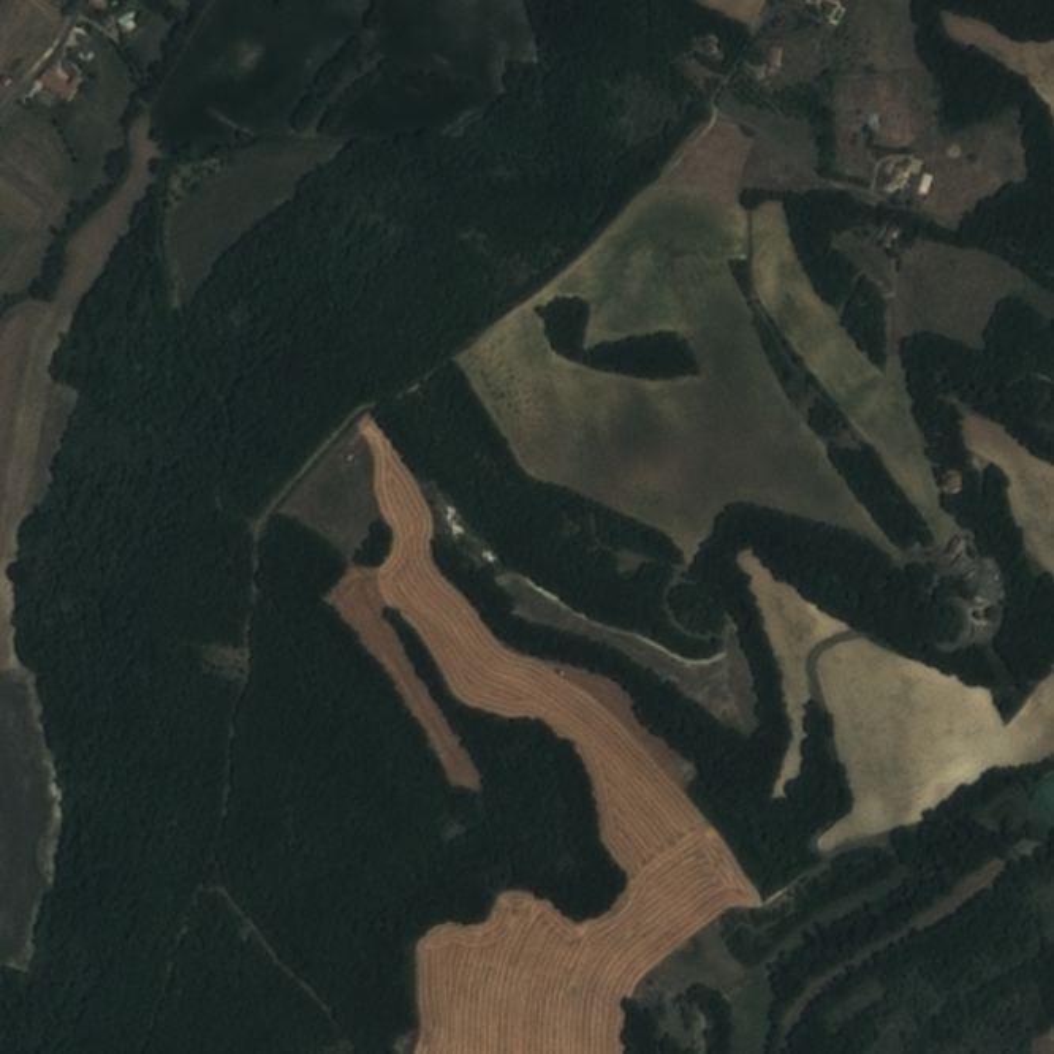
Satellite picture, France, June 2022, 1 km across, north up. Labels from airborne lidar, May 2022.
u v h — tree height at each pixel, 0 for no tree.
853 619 19
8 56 0
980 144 0
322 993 13
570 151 15
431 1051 0
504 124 8
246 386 16
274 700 11
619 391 0
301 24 0
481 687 0
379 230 8
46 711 12
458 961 0
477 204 10
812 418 12
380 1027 16
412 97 0
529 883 17
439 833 12
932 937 16
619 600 14
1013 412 17
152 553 11
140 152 0
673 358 12
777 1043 16
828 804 16
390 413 11
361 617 0
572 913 12
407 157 13
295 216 12
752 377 0
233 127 0
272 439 16
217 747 8
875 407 0
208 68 0
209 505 7
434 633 0
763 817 16
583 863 13
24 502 0
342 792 11
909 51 0
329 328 13
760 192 10
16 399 0
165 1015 9
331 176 8
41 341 0
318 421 7
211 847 9
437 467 10
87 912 9
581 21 18
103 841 10
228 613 8
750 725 0
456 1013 0
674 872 0
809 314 0
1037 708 0
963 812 20
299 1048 10
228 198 0
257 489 8
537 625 12
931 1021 9
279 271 13
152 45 0
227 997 11
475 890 15
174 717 7
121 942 8
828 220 14
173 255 0
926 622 12
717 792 16
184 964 9
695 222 0
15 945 0
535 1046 0
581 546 7
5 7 0
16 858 0
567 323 11
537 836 9
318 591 15
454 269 9
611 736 0
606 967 0
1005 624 12
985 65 19
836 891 12
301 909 12
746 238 0
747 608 20
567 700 0
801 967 8
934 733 0
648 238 0
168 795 9
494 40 0
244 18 0
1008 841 15
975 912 19
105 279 13
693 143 0
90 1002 8
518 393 0
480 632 0
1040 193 17
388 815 11
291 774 8
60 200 0
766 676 17
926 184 0
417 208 9
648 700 22
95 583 9
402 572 0
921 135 0
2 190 0
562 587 15
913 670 0
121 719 9
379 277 9
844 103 0
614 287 0
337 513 0
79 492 10
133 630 9
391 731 13
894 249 11
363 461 0
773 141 0
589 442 0
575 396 0
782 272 0
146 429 9
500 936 0
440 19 0
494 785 11
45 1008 8
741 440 0
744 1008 0
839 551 20
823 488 0
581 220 6
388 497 0
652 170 10
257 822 6
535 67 8
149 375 11
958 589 13
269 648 8
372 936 12
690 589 10
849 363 0
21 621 11
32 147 0
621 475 0
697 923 0
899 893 11
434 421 8
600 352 12
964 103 12
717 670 0
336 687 11
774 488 0
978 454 0
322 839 7
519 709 0
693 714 20
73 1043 11
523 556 14
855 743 0
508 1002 0
